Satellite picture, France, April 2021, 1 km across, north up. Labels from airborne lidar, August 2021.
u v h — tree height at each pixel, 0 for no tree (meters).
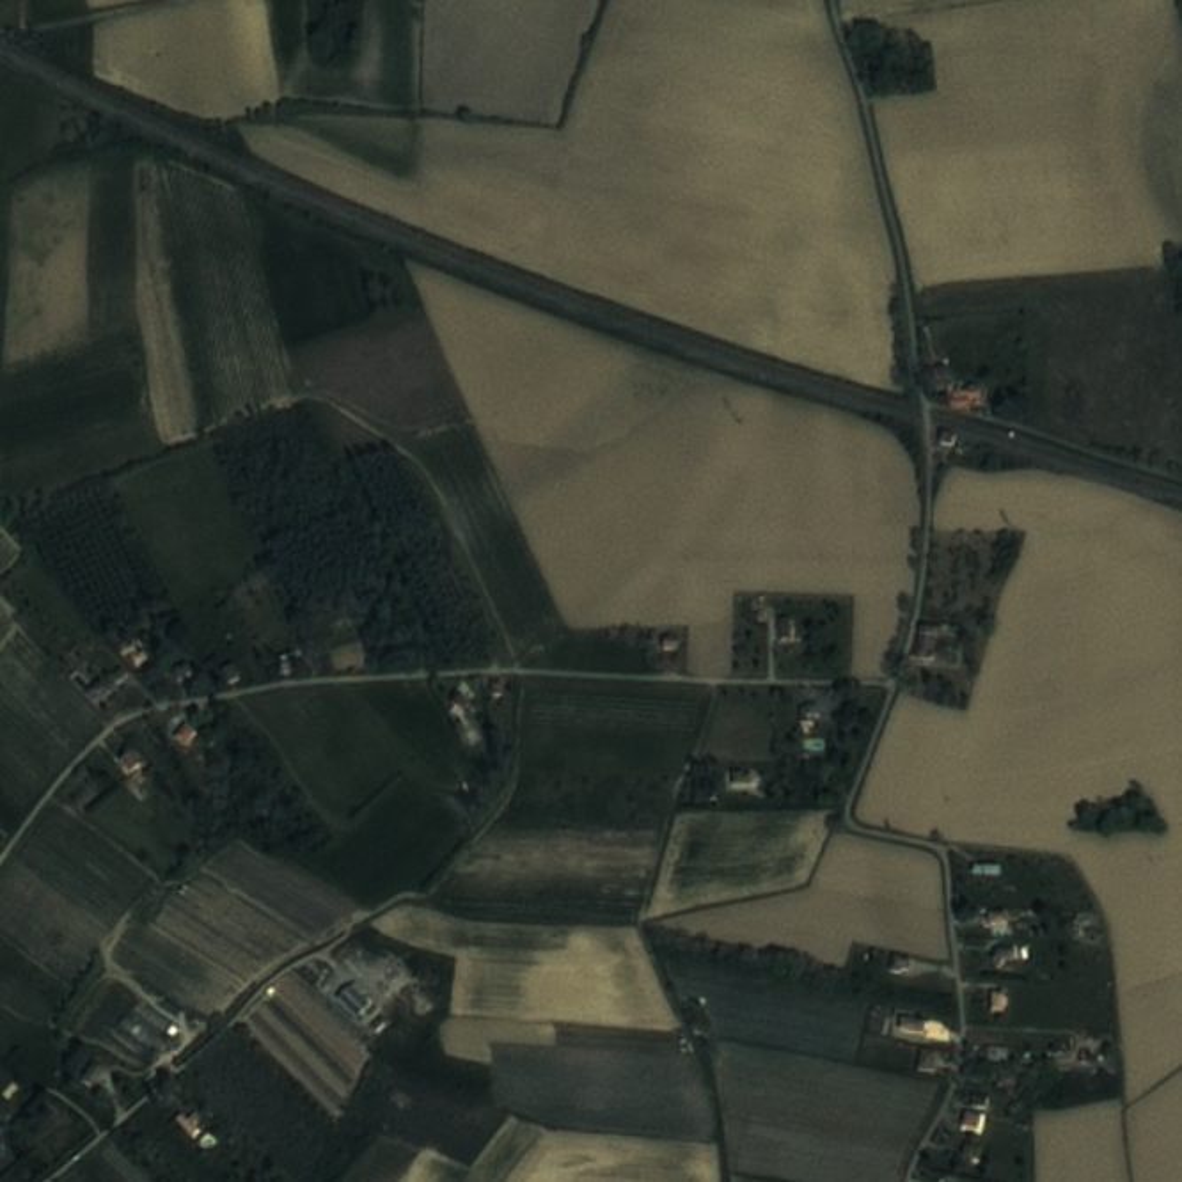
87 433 0
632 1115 0
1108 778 0
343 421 0
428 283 0
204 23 0
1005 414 17
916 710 0
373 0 0
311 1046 0
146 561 7
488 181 0
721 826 0
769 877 0
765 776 9
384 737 0
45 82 0
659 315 0
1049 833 0
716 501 0
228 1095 12
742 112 0
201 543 0
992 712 0
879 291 0
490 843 0
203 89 0
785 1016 0
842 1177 0
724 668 0
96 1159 0
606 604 0
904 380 20
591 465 0
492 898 0
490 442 0
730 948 8
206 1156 10
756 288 0
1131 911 0
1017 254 0
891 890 0
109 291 0
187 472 0
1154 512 0
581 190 0
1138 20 0
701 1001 0
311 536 21
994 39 0
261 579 17
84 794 11
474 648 9
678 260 0
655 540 0
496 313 0
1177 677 0
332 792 0
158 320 0
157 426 0
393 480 19
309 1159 9
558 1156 0
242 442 14
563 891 0
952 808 0
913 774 0
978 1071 6
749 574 0
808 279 0
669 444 0
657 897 0
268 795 18
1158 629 0
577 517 0
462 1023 0
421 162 0
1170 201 0
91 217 0
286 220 0
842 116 0
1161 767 0
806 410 0
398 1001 0
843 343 0
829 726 0
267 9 0
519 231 0
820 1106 0
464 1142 0
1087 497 0
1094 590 0
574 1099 0
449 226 0
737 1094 0
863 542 0
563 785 7
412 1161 0
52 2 0
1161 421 0
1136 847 0
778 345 0
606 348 0
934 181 0
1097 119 0
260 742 8
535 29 0
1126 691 0
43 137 0
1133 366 0
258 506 16
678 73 0
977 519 0
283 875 0
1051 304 0
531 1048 0
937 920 0
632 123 0
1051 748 0
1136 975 0
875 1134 0
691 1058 0
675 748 0
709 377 0
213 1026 6
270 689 0
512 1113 0
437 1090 0
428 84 0
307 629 20
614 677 0
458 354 0
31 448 0
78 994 10
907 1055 0
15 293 0
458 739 0
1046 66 0
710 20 0
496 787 29
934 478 0
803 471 0
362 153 0
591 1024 0
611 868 0
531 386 0
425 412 0
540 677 0
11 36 12
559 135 0
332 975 0
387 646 9
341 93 0
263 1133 9
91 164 0
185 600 0
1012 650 0
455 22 0
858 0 0
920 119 0
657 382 0
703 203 0
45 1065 0
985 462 6
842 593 0
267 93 0
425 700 0
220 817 8
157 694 11
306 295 0
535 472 0
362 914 0
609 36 0
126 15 0
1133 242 0
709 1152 0
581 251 0
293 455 18
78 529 11
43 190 0
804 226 0
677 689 0
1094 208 0
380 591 13
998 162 0
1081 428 0
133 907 0
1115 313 0
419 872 0
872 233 0
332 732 0
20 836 0
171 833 0
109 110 0
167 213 0
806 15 0
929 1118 0
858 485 0
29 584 0
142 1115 6
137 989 0
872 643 0
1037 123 0
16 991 0
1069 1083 0
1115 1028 0
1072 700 0
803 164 0
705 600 0
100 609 13
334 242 0
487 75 0
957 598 8
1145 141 0
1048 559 0
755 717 0
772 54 0
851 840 0
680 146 0
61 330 0
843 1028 0
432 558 13
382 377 0
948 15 0
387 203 0
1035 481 0
